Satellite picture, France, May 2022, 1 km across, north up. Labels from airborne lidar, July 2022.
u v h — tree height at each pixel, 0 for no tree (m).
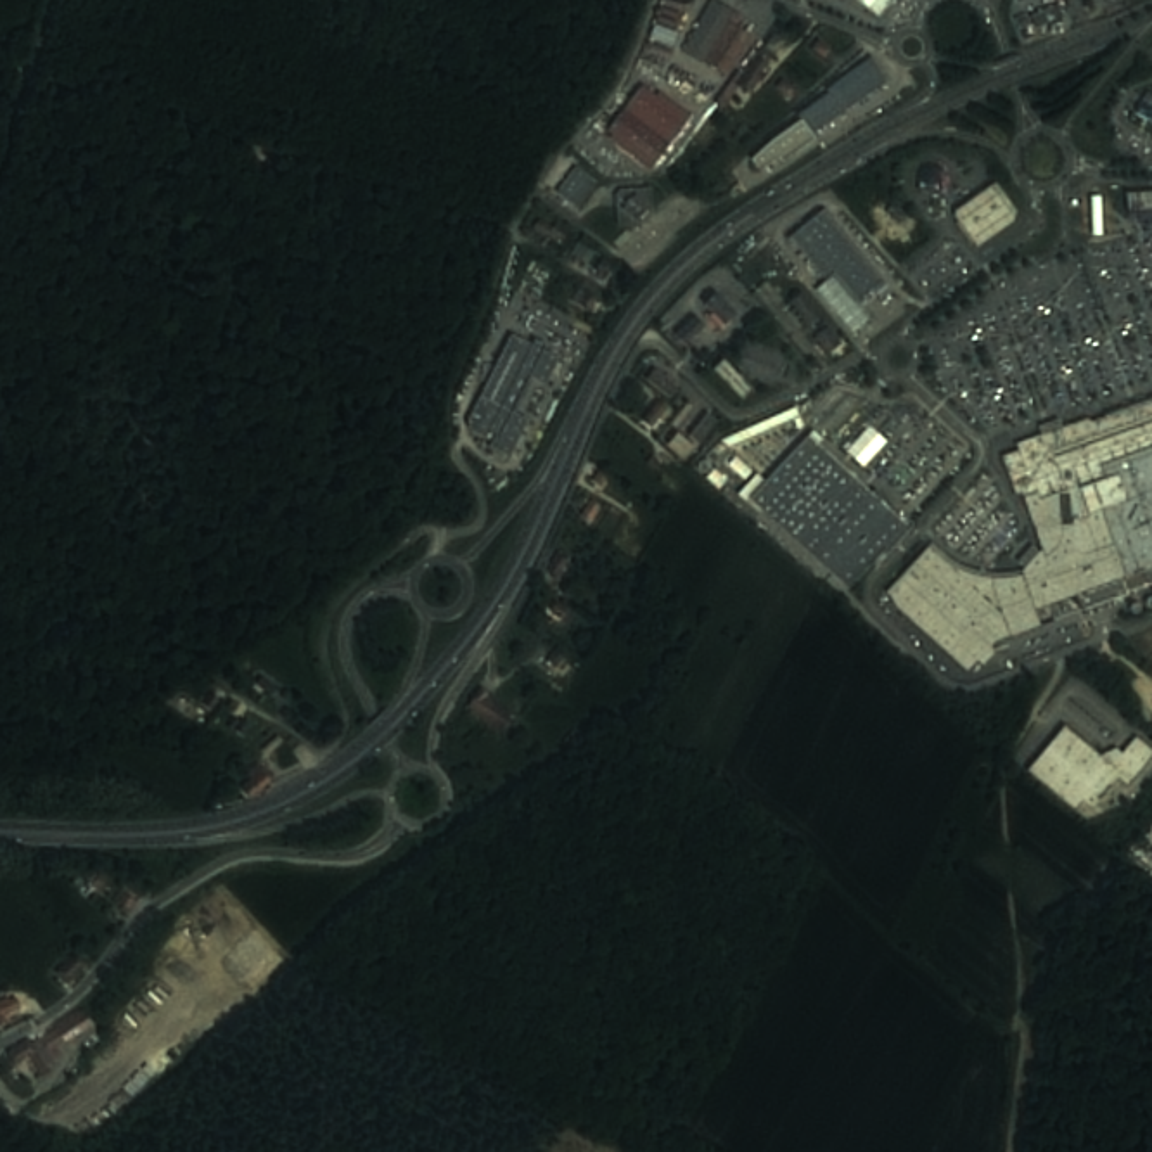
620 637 12
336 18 22
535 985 21
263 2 23
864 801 0
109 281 32
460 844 24
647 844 25
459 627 0
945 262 0
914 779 0
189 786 0
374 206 30
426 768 0
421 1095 35
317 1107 37
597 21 23
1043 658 0
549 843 21
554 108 21
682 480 0
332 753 0
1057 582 0
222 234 26
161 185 28
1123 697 20
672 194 0
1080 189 0
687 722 0
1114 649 10
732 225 0
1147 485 0
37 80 24
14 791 17
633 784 27
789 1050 0
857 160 0
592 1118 26
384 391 30
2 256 31
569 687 0
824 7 8
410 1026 24
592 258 0
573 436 0
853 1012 0
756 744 0
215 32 23
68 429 24
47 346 31
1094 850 0
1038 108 10
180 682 27
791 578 0
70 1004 0
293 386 32
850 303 0
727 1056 15
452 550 0
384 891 20
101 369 31
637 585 6
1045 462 0
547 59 28
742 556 0
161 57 18
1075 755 0
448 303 30
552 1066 29
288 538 32
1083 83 10
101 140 30
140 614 29
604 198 0
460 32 25
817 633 0
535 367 0
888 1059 0
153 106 26
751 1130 0
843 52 0
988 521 0
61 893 0
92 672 12
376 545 22
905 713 0
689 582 0
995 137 0
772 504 0
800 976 0
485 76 23
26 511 33
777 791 0
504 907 24
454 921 26
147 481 24
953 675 0
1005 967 0
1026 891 0
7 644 29
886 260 0
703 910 23
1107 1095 29
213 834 0
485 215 21
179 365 28
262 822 0
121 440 35
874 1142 0
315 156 23
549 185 0
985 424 0
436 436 9
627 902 25
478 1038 26
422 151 21
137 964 15
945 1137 0
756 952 22
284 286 29
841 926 0
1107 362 0
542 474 0
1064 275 0
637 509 0
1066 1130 28
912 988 0
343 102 19
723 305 0
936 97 0
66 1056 0
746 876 25
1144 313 0
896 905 0
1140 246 0
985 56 6
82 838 0
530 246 0
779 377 0
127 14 21
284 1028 34
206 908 0
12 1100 0
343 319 30
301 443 31
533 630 8
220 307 28
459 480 11
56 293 29
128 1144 31
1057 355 0
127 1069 0
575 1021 25
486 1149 37
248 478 28
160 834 0
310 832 11
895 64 0
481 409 0
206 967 0
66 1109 0
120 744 10
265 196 31
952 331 0
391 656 9
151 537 32
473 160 24
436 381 26
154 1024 0
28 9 13
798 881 21
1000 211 0
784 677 0
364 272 32
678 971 28
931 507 7
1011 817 0
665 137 0
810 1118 0
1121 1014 8
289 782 0
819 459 0
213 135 26
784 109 0
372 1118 18
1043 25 0
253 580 30
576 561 6
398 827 0
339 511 31
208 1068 33
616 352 0
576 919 20
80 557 30
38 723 30
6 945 0
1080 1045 21
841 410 0
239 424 22
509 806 22
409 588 0
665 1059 14
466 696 0
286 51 20
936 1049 0
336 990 29
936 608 0
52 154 31
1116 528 0
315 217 25
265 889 0
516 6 28
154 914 15
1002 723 12
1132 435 0
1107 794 0
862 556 0
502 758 0
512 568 0
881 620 0
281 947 0
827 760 0
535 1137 28
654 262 0
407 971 29
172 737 9
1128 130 0
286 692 9
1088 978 26
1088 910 24
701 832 28
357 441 30
